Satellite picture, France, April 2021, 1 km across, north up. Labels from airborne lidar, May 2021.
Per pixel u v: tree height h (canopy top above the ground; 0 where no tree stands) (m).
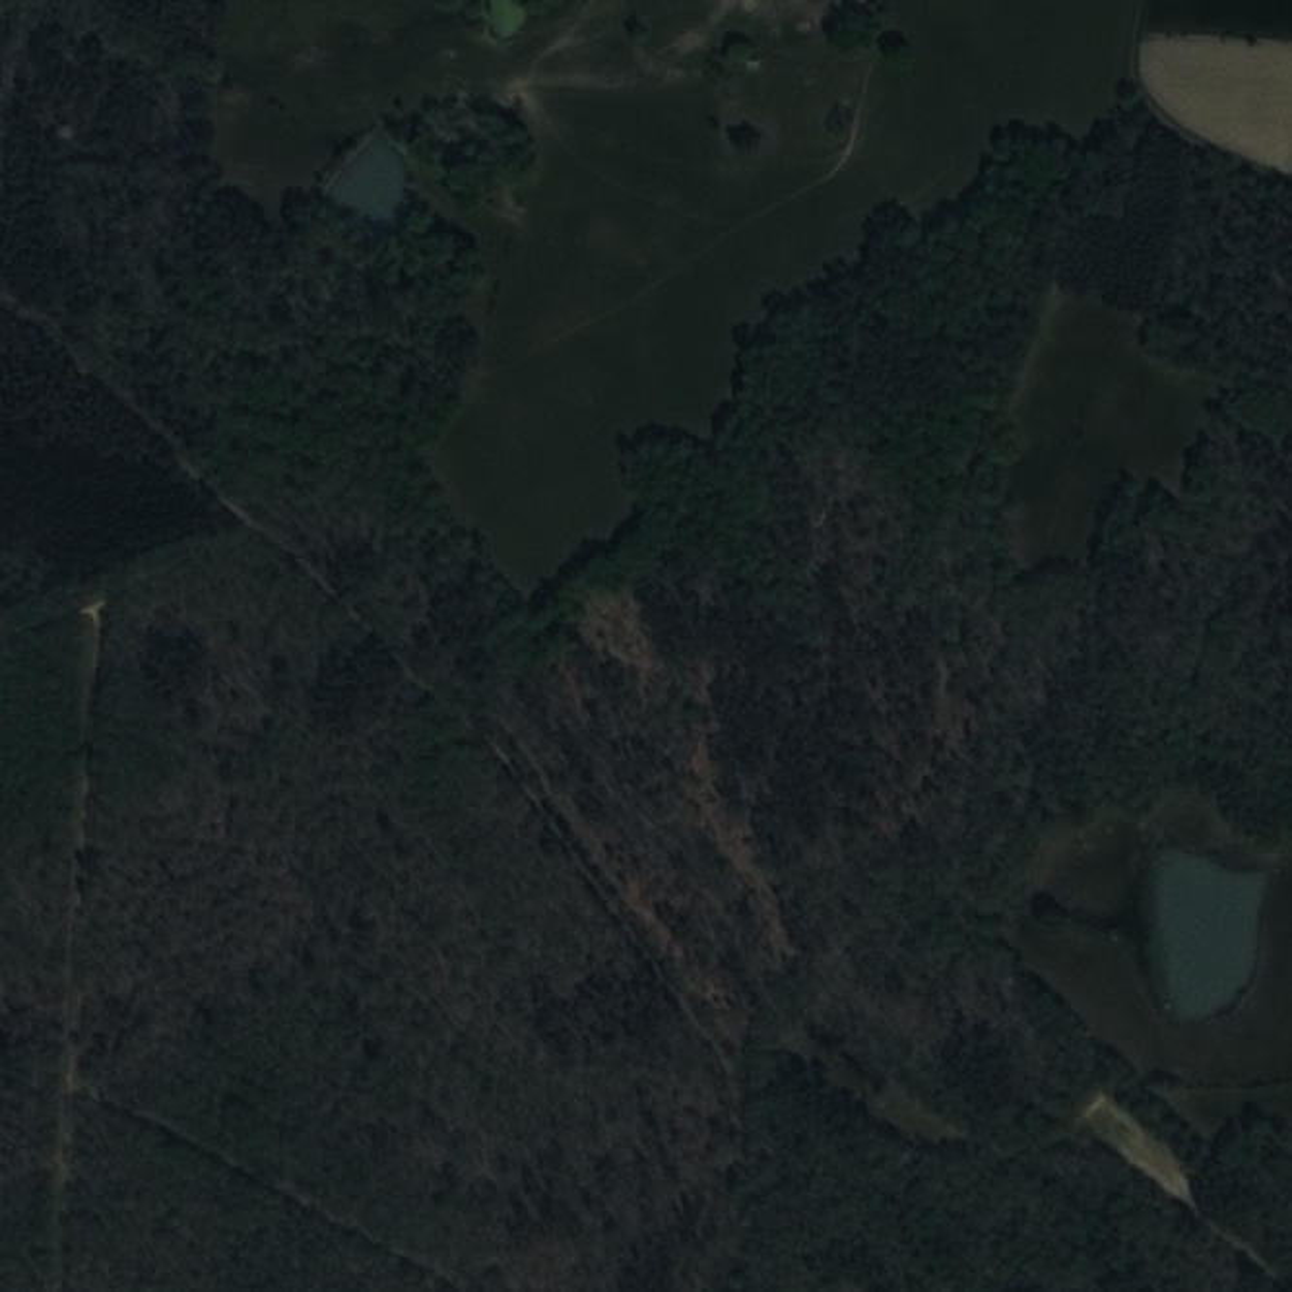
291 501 11
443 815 18
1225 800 24
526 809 8
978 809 15
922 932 19
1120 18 0
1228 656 19
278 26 0
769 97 0
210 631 10
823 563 11
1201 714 23
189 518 11
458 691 13
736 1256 20
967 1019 17
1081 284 18
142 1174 18
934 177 0
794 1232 19
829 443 19
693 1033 15
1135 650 16
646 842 16
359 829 10
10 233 20
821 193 0
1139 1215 20
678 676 26
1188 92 0
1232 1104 0
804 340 25
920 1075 16
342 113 0
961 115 0
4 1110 11
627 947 8
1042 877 0
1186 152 15
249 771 16
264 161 0
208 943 10
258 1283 16
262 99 0
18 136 22
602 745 26
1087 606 15
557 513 0
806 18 0
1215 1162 13
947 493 23
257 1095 19
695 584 24
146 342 13
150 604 14
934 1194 28
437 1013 15
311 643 15
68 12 23
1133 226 16
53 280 23
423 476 22
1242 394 16
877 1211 27
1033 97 0
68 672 19
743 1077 11
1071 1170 19
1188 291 16
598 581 23
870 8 6
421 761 19
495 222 0
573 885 12
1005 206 26
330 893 13
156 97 11
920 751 22
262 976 14
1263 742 19
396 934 12
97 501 10
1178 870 0
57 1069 21
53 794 16
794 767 22
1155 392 0
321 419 17
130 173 16
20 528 10
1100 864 0
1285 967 0
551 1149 13
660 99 0
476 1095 16
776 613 17
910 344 28
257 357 11
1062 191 16
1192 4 0
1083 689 17
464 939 12
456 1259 18
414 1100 12
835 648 11
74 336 21
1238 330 22
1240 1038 0
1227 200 9
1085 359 0
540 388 0
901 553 17
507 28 0
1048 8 0
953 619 19
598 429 0
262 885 7
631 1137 8
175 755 16
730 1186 14
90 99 20
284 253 25
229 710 13
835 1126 26
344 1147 13
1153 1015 0
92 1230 24
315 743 10
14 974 15
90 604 13
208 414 20
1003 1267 17
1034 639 20
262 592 12
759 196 0
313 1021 14
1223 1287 14
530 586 0
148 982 9
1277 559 15
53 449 10
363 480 16
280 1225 17
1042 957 0
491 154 24
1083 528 0
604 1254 15
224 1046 12
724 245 0
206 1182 20
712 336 0
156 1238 16
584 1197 11
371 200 0
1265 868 0
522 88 0
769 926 12
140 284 14
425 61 0
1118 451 0
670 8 0
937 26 0
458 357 23
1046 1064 12
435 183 0
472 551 6
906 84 0
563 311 0
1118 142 20
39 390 22
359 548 11
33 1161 13
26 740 19
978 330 25
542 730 15
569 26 0
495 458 0
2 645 17
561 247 0
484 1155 17
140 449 21
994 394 23
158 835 10
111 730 19
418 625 11
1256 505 12
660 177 0
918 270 22
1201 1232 25
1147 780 21
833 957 23
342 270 12
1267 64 0
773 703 24
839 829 19
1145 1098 14
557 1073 16
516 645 20
